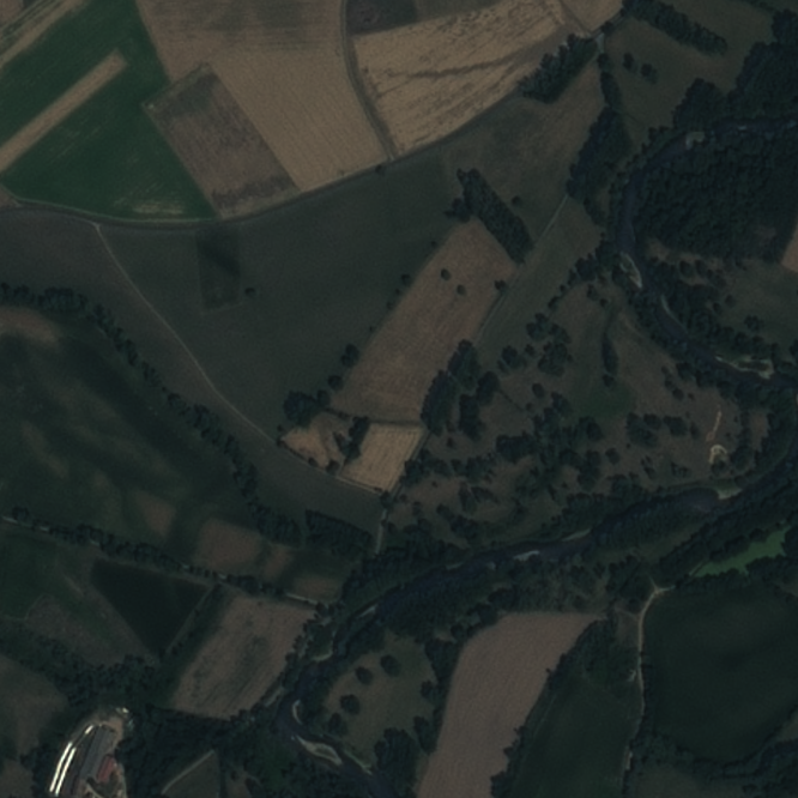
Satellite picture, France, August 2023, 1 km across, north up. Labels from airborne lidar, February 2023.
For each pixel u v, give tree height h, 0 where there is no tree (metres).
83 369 0
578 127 0
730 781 16
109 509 0
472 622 0
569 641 0
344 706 11
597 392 0
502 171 0
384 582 31
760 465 13
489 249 0
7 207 0
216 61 0
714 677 0
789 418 13
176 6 0
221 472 0
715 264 0
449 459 0
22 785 0
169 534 0
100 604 0
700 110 22
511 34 0
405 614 34
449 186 0
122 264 0
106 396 0
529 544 0
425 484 0
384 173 10
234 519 0
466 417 16
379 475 0
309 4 0
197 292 0
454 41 0
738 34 0
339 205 0
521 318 0
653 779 0
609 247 17
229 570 0
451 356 0
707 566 0
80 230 0
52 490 0
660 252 0
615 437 0
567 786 0
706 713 0
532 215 0
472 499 26
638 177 0
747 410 10
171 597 0
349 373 0
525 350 0
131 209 0
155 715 26
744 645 0
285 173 0
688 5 0
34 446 0
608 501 15
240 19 0
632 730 0
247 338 0
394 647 0
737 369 0
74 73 0
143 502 0
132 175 0
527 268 0
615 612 15
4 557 0
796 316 0
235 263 0
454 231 0
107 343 0
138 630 0
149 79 0
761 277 0
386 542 0
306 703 11
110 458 0
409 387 0
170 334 0
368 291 0
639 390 0
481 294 0
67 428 0
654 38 0
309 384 0
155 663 0
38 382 0
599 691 0
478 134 0
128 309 0
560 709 0
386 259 0
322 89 0
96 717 0
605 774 0
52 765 27
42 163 0
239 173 0
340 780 18
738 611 0
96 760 0
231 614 0
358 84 0
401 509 0
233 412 0
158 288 0
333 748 0
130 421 0
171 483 0
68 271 0
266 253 0
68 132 0
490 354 0
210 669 0
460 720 0
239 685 0
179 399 17
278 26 0
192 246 0
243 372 0
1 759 19
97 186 0
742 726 0
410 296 0
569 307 0
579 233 0
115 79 0
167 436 0
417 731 0
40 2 0
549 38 0
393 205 0
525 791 0
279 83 0
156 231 0
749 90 29
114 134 0
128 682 23
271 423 0
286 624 0
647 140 0
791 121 12
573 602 28
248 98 0
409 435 0
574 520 21
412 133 0
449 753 0
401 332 0
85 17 0
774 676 0
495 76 0
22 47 0
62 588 0
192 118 0
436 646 0
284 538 35
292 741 0
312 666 0
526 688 0
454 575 0
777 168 31
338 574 0
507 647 0
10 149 0
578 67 15
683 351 8
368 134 0
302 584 0
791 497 17
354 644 17
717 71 0
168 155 0
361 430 16
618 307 0
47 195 0
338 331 0
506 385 0
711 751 0
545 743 0
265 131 0
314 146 0
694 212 16
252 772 19
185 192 0
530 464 0
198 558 0
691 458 0
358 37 0
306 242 0
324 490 0
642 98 0
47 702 0
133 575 0
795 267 0
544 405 0
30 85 0
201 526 0
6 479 0
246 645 0
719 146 21
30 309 0
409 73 0
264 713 20
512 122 0
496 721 0
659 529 37
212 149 0
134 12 0
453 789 0
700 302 19
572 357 9
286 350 0
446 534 0
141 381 0
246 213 0
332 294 0
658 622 0
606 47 0
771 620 0
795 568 22
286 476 0
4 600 0
